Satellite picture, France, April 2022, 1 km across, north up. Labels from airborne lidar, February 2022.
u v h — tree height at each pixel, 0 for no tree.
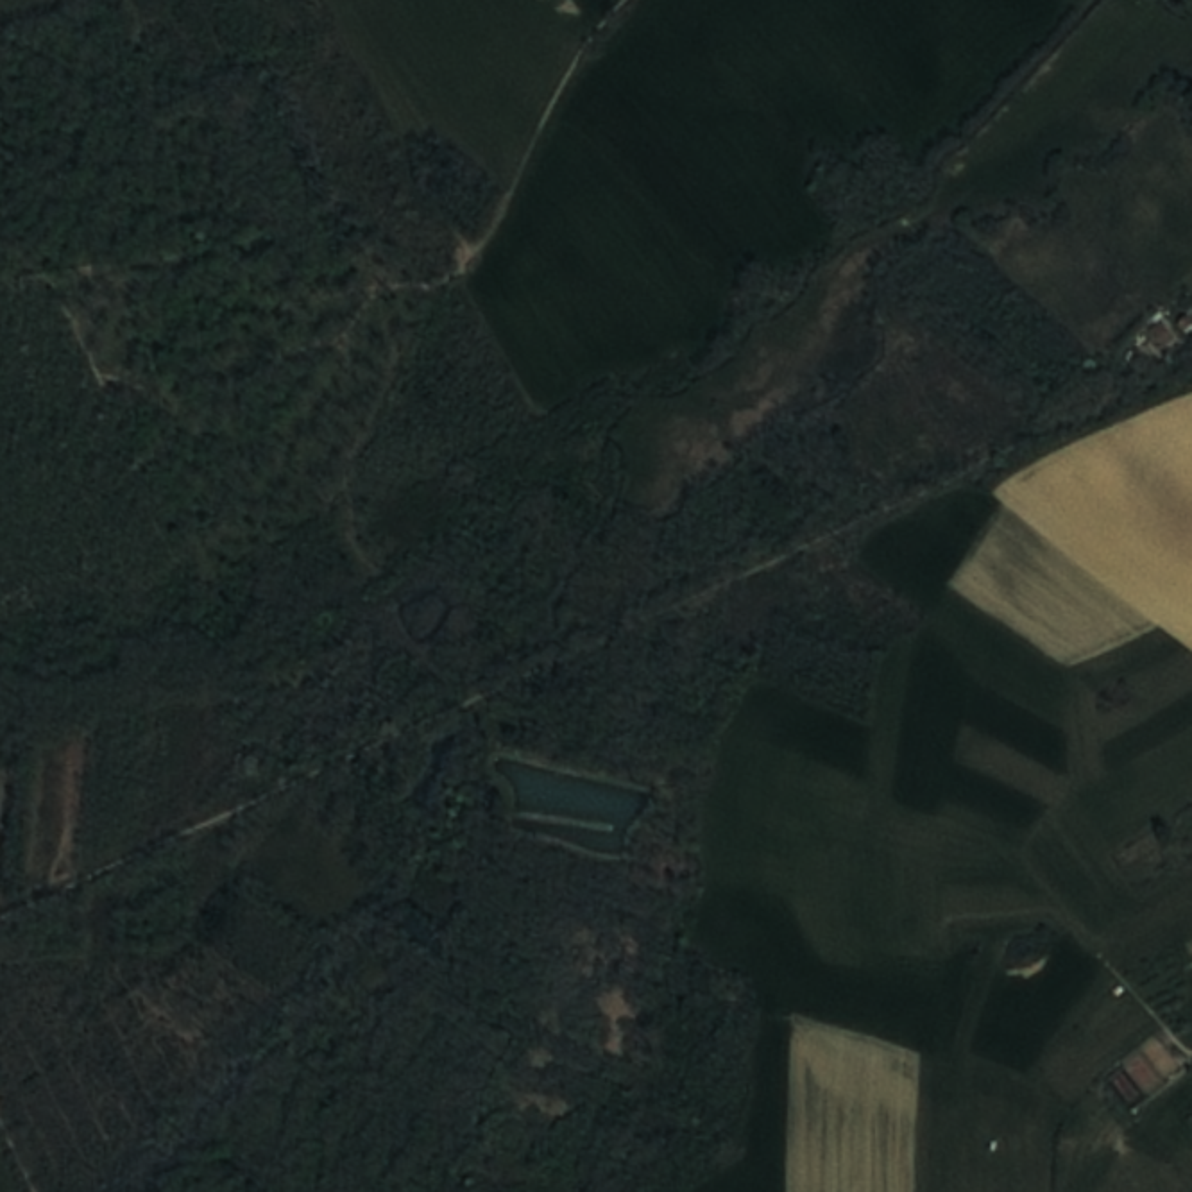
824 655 23
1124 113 0
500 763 0
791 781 0
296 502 28
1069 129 0
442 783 19
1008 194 0
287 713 21
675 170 0
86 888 10
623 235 0
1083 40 0
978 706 0
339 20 0
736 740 0
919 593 0
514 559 24
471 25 0
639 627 16
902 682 0
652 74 0
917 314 23
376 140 8
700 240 0
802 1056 0
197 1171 23
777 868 0
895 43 0
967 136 12
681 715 19
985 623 0
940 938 0
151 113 30
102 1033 6
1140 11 0
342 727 18
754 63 0
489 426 13
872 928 0
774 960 0
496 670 16
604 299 0
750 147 0
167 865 26
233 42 23
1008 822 0
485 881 20
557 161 0
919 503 17
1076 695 0
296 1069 19
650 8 0
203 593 22
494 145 0
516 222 0
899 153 20
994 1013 0
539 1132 14
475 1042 19
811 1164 0
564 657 18
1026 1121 0
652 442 0
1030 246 0
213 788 7
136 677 24
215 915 14
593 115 0
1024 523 0
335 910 0
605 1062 15
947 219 0
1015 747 0
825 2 0
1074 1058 0
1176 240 0
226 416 28
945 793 0
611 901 15
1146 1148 0
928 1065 0
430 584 13
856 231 23
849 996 0
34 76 26
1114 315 0
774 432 14
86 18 24
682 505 6
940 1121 0
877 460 0
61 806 0
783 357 0
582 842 0
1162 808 0
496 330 0
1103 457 0
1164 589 0
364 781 20
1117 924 0
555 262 0
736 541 7
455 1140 21
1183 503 0
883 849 0
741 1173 0
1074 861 0
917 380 0
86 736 19
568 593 21
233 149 28
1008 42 0
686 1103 6
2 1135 9
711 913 0
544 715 24
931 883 0
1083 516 0
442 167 25
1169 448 0
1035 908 0
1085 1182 0
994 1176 0
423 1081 21
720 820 0
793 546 15
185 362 22
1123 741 0
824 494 26
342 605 15
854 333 0
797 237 0
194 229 23
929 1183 0
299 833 0
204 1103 23
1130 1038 0
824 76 0
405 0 0
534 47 0
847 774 0
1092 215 0
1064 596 0
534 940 14
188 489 22
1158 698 0
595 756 24
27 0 0
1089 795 0
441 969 16
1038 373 20
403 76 0
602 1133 19
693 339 0
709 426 0
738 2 0
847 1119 0
